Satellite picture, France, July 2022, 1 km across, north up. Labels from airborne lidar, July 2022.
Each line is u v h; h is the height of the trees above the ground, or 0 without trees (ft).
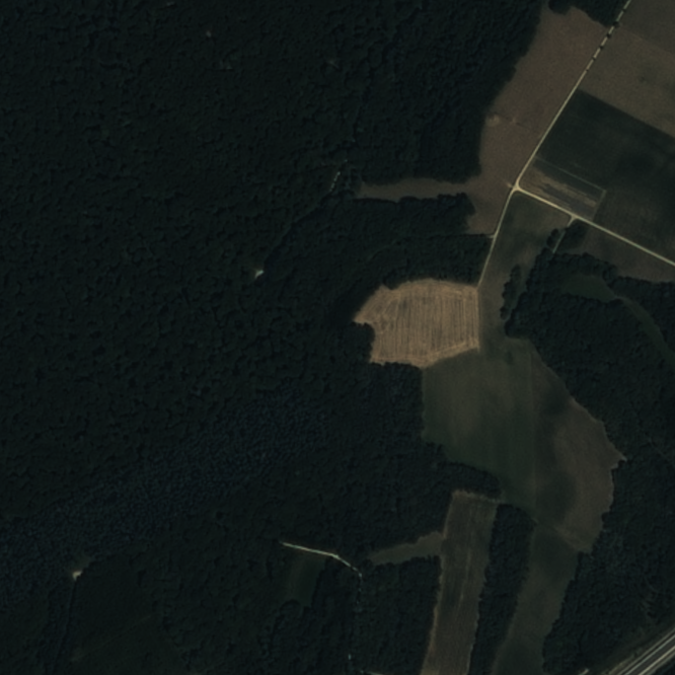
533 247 0
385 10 97
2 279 95
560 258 38
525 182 0
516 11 28
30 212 95
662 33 0
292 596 0
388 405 58
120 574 53
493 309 0
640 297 72
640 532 80
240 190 72
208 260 104
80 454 98
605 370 87
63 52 94
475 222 0
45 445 94
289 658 94
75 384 89
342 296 36
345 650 49
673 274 0
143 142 101
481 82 79
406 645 57
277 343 96
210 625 86
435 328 0
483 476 48
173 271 95
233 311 86
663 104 0
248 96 77
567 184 0
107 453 100
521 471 0
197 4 63
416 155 67
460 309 0
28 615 95
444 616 0
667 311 64
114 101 93
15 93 99
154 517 82
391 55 88
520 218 0
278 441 97
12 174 92
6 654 97
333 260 89
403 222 84
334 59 59
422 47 83
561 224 0
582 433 0
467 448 0
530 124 0
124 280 98
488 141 0
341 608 51
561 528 0
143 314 100
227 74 47
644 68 0
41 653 62
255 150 54
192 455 94
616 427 68
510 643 0
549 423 0
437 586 58
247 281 94
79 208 87
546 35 0
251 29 66
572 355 82
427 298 0
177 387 90
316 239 80
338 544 85
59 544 103
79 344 96
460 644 0
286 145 57
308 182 61
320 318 71
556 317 92
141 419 101
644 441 73
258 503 82
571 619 66
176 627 80
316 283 89
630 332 91
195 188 52
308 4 61
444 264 55
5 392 94
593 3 34
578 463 0
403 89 86
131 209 89
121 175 86
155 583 86
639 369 78
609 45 0
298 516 78
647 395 79
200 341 94
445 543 0
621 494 44
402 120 84
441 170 82
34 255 92
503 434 0
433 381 0
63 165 81
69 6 89
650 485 67
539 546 0
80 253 105
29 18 80
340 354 71
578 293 0
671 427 56
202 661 69
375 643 61
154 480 101
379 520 63
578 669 46
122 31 80
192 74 69
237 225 44
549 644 46
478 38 51
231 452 94
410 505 67
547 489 0
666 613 24
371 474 78
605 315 93
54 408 91
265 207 88
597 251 0
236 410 99
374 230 85
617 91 0
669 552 78
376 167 96
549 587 0
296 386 86
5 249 92
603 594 69
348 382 76
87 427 94
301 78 81
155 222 88
